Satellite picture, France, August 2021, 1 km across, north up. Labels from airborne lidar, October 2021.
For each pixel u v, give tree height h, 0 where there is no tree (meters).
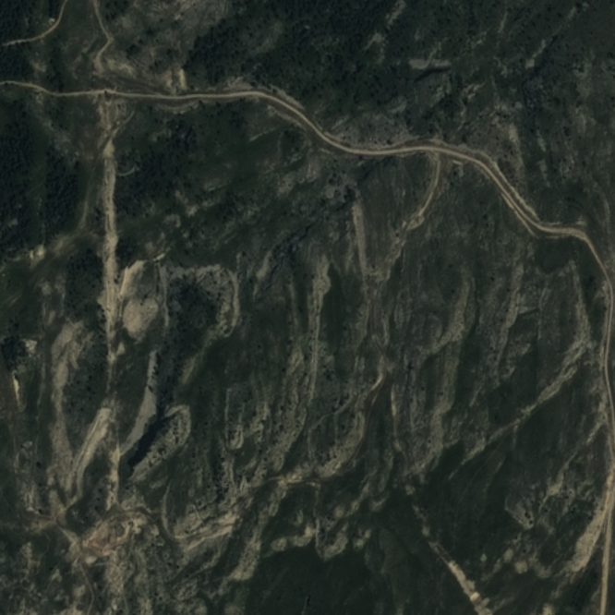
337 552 0
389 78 0
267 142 0
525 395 0
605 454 0
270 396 0
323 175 0
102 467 0
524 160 0
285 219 0
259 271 0
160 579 0
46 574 0
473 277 0
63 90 11
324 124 0
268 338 0
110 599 0
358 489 0
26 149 11
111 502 0
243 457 0
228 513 0
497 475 0
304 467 0
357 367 0
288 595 0
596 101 0
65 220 10
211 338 0
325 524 0
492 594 0
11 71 10
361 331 0
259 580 0
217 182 0
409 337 0
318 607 0
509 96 0
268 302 0
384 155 0
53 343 0
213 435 0
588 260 0
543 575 0
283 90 0
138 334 0
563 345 0
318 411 0
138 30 0
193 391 0
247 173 0
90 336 0
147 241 0
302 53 11
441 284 0
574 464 0
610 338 0
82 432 0
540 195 0
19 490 0
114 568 0
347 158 0
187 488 0
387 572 0
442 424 0
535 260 0
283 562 0
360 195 0
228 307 0
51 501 0
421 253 0
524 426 0
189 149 8
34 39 0
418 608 0
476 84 0
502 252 0
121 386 0
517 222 0
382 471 0
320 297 0
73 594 0
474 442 0
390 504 0
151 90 0
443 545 0
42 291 0
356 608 0
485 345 0
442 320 0
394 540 0
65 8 0
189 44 0
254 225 0
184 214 0
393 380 0
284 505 0
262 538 0
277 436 0
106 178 0
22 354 7
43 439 0
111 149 0
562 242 0
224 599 0
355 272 0
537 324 0
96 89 0
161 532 0
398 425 0
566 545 0
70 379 0
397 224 0
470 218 0
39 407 0
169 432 0
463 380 0
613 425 0
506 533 0
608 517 0
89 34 0
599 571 0
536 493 0
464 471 0
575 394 0
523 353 0
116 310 0
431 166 0
